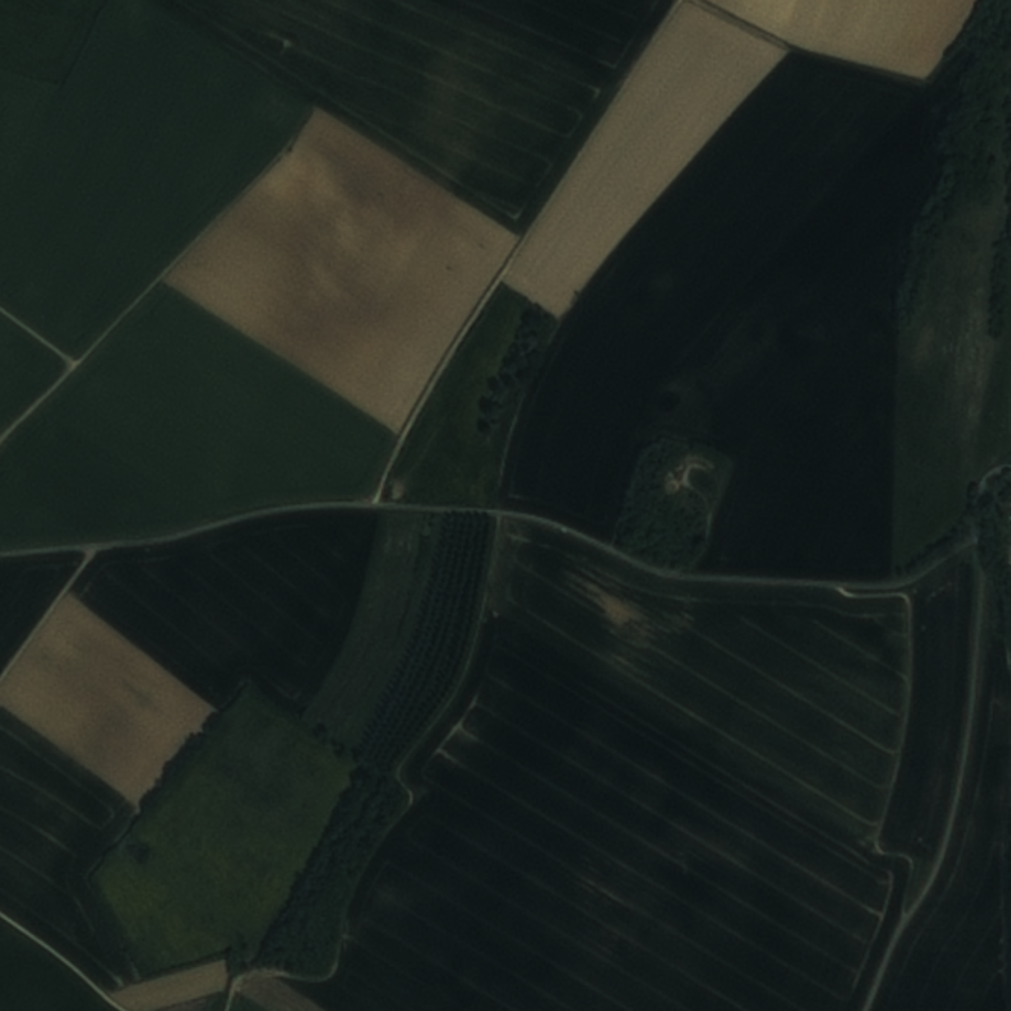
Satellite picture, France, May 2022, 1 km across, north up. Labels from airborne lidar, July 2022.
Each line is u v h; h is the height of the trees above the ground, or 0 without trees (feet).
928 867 0
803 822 0
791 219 0
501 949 0
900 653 0
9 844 0
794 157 0
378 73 0
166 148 0
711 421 0
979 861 0
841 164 0
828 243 0
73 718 0
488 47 0
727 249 0
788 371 0
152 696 0
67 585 0
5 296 0
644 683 0
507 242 0
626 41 0
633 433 0
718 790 0
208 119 0
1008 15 61
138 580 0
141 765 0
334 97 0
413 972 0
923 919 0
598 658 0
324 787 0
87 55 0
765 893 0
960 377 0
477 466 0
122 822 0
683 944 0
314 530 0
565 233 0
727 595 0
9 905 0
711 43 0
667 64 0
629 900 0
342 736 0
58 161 0
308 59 0
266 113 0
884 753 0
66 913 0
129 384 0
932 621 0
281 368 0
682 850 0
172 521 0
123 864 0
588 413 0
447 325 0
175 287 0
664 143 0
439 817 0
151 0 0
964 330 0
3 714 0
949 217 45
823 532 0
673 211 0
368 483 0
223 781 0
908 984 0
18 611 0
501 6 0
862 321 0
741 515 0
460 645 45
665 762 0
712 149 0
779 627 0
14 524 0
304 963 70
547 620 0
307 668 0
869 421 0
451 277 0
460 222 0
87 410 0
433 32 0
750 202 0
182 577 0
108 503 0
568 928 0
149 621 0
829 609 0
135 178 0
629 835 0
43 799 0
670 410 0
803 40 0
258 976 0
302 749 0
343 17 0
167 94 0
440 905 0
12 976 0
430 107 0
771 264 0
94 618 0
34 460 0
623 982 0
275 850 0
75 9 0
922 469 0
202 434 0
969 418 0
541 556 0
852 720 0
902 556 0
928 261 32
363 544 0
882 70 0
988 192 20
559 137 0
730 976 0
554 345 0
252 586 0
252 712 0
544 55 0
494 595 0
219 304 0
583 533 0
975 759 0
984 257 0
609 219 0
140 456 0
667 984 0
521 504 0
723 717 0
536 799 0
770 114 0
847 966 0
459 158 0
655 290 0
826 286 0
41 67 0
